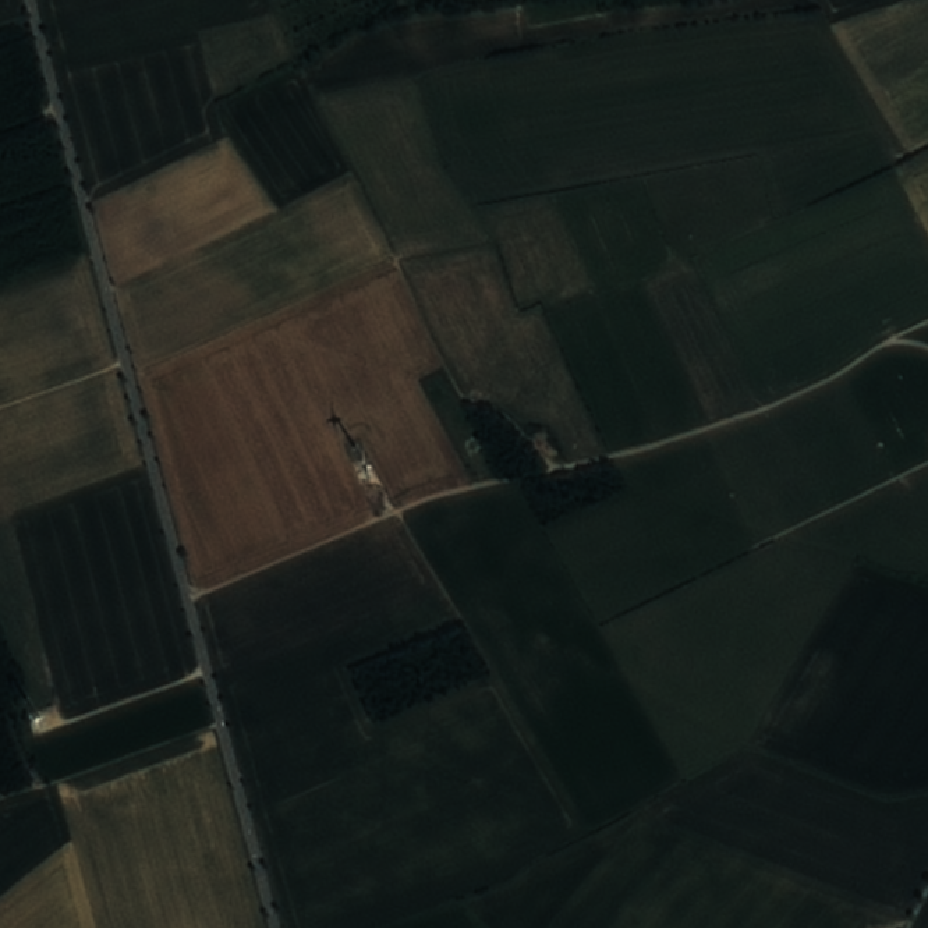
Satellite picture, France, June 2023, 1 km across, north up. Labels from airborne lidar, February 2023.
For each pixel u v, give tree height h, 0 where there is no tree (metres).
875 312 0
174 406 0
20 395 0
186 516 0
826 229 0
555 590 0
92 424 0
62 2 0
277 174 0
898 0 0
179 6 0
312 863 0
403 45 0
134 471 0
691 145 0
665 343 0
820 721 0
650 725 0
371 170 0
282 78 0
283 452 0
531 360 0
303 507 0
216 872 0
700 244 0
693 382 0
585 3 0
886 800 0
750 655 0
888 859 0
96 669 0
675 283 0
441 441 0
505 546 0
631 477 0
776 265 0
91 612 0
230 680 0
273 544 0
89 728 0
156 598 0
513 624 0
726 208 0
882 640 0
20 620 0
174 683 0
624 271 0
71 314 0
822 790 0
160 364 0
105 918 0
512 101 0
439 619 0
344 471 0
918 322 0
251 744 0
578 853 0
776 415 0
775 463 0
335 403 0
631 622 0
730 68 0
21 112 11
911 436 0
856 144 0
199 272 0
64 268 0
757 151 0
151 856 0
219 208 0
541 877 0
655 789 0
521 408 0
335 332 0
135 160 0
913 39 0
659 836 0
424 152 0
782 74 0
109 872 0
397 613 0
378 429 0
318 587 0
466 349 0
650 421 0
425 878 0
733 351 0
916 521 0
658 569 0
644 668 0
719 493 0
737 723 0
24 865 0
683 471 0
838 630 0
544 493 22
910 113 0
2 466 0
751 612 0
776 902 0
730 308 0
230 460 0
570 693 0
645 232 0
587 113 0
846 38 0
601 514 0
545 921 0
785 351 0
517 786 0
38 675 0
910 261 0
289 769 0
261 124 0
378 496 0
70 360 0
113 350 0
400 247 0
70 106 0
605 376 0
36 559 0
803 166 0
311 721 0
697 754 0
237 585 0
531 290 0
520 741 0
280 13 0
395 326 0
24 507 0
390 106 0
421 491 0
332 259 0
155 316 0
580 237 0
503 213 0
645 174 0
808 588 0
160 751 0
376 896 0
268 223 0
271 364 0
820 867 0
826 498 0
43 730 0
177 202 0
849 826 0
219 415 0
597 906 0
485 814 0
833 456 0
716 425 0
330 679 0
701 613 0
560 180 0
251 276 0
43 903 0
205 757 0
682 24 7
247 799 0
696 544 0
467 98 0
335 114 0
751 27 0
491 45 0
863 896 0
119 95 0
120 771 0
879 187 0
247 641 0
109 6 0
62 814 0
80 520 0
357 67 0
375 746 0
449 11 16
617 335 0
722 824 0
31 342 0
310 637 0
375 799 0
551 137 0
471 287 0
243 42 0
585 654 0
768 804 0
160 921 0
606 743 0
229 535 0
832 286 0
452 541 0
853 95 0
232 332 0
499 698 0
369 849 0
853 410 0
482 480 0
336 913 0
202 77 0
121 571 0
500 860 0
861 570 0
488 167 0
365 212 0
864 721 0
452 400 0
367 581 0
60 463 0
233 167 0
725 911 0
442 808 0
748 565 0
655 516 0
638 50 0
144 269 0
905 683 0
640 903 0
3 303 0
